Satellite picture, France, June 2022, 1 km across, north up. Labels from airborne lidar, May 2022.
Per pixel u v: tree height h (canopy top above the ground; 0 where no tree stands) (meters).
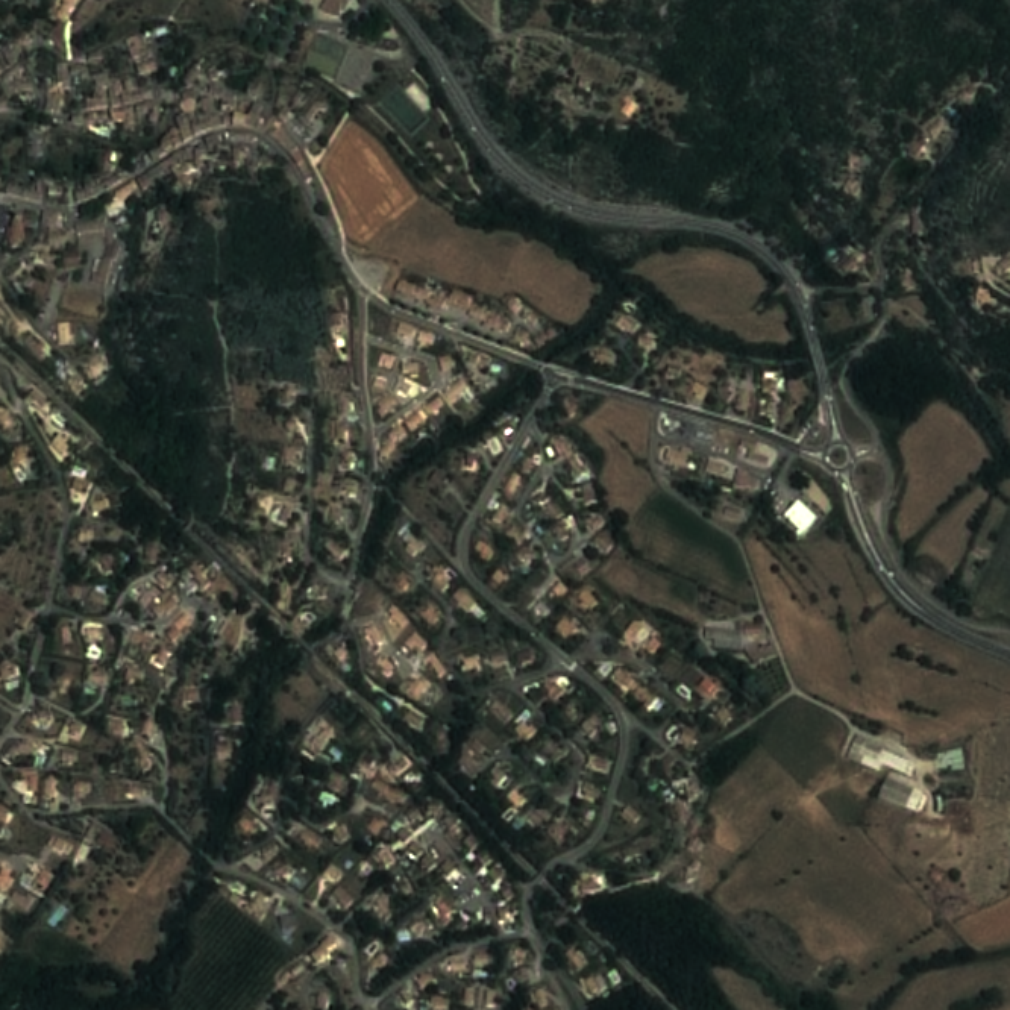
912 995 0
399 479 9
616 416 0
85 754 0
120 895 0
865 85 6
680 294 0
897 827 0
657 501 0
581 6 11
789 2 6
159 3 0
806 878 0
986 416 9
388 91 0
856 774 0
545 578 0
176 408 8
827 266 11
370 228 0
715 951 10
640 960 12
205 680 7
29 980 10
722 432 0
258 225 10
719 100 9
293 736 8
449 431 7
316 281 11
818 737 0
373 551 10
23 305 7
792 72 7
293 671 6
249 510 8
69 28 0
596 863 9
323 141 9
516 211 9
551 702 6
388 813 0
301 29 9
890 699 0
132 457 7
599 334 16
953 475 0
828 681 0
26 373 0
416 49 0
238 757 14
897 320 8
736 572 0
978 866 0
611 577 0
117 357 6
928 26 6
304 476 8
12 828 0
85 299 0
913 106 10
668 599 0
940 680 0
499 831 14
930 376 9
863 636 0
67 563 7
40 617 11
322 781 10
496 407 7
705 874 0
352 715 10
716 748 8
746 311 0
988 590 0
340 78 0
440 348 0
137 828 13
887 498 0
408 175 0
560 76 6
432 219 0
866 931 0
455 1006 7
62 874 13
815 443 0
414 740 6
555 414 12
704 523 0
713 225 0
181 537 10
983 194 0
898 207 7
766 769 0
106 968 13
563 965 11
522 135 6
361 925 12
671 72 8
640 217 0
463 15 7
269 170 6
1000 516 0
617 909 10
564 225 10
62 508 0
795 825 0
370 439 0
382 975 12
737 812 0
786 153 7
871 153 7
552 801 13
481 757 0
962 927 0
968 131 11
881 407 11
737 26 8
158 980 16
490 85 7
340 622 9
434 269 0
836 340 8
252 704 14
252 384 10
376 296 0
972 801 0
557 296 0
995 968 0
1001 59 9
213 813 11
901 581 0
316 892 0
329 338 13
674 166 5
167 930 16
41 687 14
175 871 0
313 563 9
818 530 0
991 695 0
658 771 13
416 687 0
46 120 13
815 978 0
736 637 0
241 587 14
